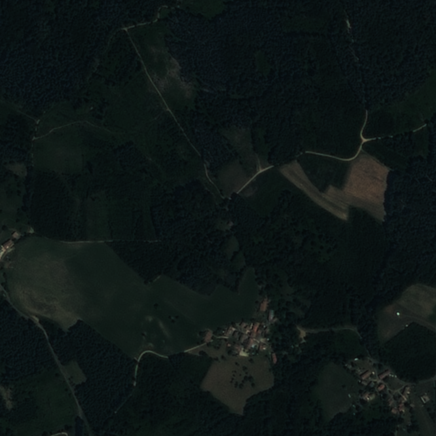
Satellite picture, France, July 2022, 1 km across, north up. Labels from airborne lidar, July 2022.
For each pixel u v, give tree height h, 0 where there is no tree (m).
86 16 10
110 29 24
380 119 7
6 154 33
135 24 18
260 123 16
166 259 7
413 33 25
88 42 12
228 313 0
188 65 26
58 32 19
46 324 8
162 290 0
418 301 0
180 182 0
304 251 12
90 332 19
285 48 26
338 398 0
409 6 25
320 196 0
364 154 0
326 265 7
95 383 16
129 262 5
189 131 8
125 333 0
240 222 22
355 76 24
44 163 0
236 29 26
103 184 7
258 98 33
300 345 7
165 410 7
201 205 26
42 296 0
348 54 23
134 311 0
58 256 0
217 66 22
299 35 28
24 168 0
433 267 19
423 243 23
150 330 0
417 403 0
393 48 19
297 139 19
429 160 16
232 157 20
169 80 0
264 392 7
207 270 18
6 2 22
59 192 8
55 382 0
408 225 18
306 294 7
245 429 9
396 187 31
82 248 0
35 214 8
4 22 27
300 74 28
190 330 0
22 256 0
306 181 0
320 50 6
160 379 10
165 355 0
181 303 0
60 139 0
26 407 6
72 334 13
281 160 13
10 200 0
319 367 25
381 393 10
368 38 17
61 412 0
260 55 0
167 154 7
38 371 18
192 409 11
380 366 17
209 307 0
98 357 18
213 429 19
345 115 7
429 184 28
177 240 19
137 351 0
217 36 27
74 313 0
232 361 0
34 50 32
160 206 18
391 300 20
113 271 0
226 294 0
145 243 7
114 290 0
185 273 15
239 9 25
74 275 0
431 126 20
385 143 10
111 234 6
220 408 17
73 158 0
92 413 22
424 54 23
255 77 33
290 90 26
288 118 13
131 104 0
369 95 28
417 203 30
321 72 5
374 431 17
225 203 18
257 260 11
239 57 28
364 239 7
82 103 12
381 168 0
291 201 10
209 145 23
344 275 6
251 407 12
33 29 32
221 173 0
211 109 11
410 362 5
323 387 0
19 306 0
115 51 6
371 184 0
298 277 8
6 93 26
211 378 0
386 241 6
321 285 7
